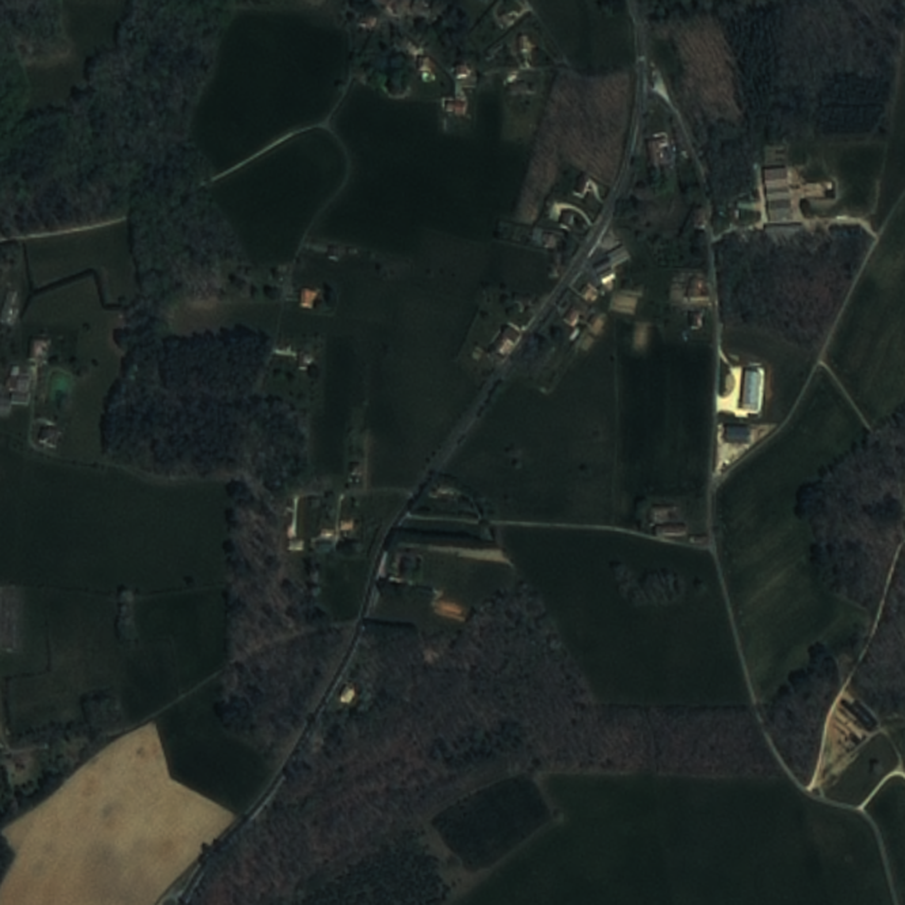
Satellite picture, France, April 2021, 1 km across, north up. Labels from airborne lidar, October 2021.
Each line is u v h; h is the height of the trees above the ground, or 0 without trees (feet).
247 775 0
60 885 0
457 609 0
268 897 29
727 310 52
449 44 43
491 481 0
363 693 58
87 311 0
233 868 23
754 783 0
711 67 58
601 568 0
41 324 0
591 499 0
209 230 52
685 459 0
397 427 0
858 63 63
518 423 0
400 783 21
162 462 77
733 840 0
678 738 25
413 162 0
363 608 0
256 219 0
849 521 54
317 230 0
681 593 44
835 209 0
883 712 55
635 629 0
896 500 50
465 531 0
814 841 0
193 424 77
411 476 0
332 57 0
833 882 0
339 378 0
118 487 0
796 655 0
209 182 29
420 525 0
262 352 84
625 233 0
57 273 0
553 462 0
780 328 51
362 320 0
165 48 59
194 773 0
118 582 0
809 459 0
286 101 0
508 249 0
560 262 27
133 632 36
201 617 0
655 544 0
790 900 0
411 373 0
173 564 0
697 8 53
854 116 58
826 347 0
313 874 37
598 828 0
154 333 74
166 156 61
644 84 0
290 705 44
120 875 0
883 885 0
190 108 46
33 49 56
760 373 0
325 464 0
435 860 22
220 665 0
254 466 47
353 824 48
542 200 33
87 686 0
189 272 58
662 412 0
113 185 74
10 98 71
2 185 61
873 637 41
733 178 58
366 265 0
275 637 44
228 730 73
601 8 57
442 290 0
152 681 0
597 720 22
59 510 0
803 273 31
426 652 41
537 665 42
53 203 70
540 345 53
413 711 33
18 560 0
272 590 64
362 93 0
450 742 39
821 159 0
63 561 0
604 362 0
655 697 0
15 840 0
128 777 0
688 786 0
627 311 0
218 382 86
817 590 0
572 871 0
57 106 0
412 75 33
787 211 0
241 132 0
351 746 39
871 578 51
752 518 0
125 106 64
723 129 68
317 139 0
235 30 0
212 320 0
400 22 29
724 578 0
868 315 0
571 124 62
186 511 0
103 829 0
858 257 37
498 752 56
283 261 0
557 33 0
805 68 84
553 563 0
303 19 0
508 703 26
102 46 0
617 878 0
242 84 0
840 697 0
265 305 0
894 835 0
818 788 0
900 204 0
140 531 0
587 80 58
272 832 20
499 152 0
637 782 0
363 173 0
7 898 0
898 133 0
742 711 24
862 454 43
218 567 0
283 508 45
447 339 0
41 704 0
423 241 0
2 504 0
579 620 0
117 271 0
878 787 0
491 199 0
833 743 0
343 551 51
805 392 0
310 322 0
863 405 0
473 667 21
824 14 70
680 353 0
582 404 0
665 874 0
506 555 27
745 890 0
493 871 0
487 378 34
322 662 51
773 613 0
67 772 52
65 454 0
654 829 0
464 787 33
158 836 0
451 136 0
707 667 0
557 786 0
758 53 50
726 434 0
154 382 57
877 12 63
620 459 0
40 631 0
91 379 0
